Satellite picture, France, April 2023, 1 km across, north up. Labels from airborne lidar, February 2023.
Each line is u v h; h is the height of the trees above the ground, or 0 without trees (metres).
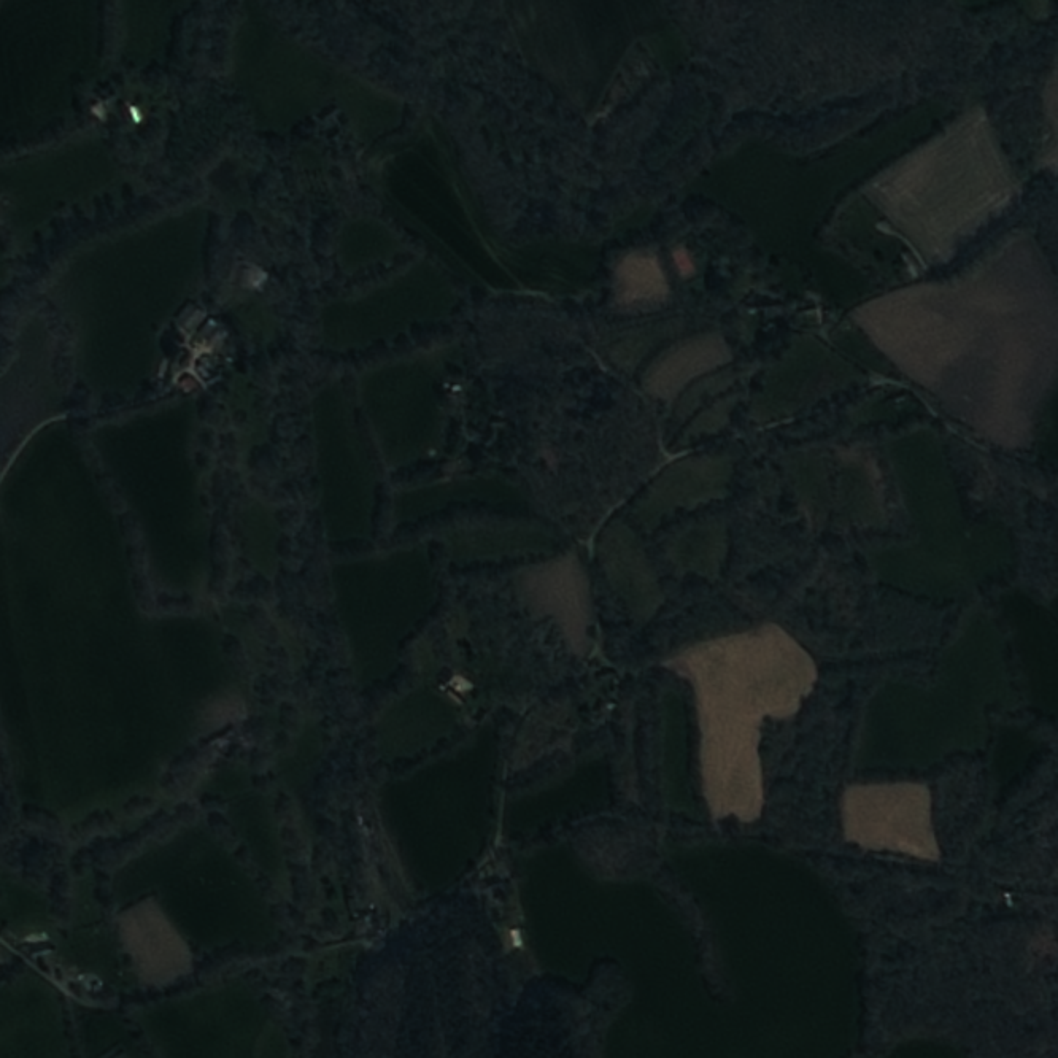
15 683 0
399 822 0
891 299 0
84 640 0
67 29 0
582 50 0
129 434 0
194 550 0
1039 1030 22
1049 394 0
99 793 0
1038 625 0
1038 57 17
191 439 0
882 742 0
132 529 17
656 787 9
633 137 21
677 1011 0
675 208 21
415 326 0
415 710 0
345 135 6
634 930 0
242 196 0
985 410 0
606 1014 14
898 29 10
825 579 10
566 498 12
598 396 14
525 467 15
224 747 0
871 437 15
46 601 0
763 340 13
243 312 0
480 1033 17
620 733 9
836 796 16
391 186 0
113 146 19
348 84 0
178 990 13
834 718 14
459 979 18
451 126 20
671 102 8
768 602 21
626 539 0
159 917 0
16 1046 0
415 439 0
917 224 0
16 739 0
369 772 13
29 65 0
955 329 0
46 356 0
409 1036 23
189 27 9
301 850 17
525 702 14
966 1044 15
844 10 13
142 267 0
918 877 15
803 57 15
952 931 12
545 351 18
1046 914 7
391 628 0
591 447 8
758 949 0
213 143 21
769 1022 0
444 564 9
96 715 0
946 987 17
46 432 0
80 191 0
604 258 9
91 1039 0
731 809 0
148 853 0
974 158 0
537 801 0
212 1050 0
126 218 14
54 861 15
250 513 0
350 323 0
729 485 0
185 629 0
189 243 0
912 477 0
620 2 0
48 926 0
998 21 10
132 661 0
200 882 0
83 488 0
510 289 0
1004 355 0
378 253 0
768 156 0
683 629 15
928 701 0
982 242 17
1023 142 14
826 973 0
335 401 0
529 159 28
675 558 0
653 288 0
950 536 0
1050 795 14
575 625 0
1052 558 18
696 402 0
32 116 0
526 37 0
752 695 0
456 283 9
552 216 18
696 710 12
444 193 0
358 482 0
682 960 0
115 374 0
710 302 20
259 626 15
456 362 0
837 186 0
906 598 8
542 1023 24
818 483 0
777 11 16
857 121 13
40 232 0
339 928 16
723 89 27
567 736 6
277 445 16
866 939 18
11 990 0
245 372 9
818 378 0
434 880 0
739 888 0
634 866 16
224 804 10
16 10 0
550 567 0
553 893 0
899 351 0
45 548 0
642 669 10
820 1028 0
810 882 0
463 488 0
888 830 0
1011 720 8
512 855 6
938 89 14
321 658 8
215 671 0
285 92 0
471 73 30
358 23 23
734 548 12
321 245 20
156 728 0
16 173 0
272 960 17
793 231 0
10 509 0
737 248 9
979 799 13
